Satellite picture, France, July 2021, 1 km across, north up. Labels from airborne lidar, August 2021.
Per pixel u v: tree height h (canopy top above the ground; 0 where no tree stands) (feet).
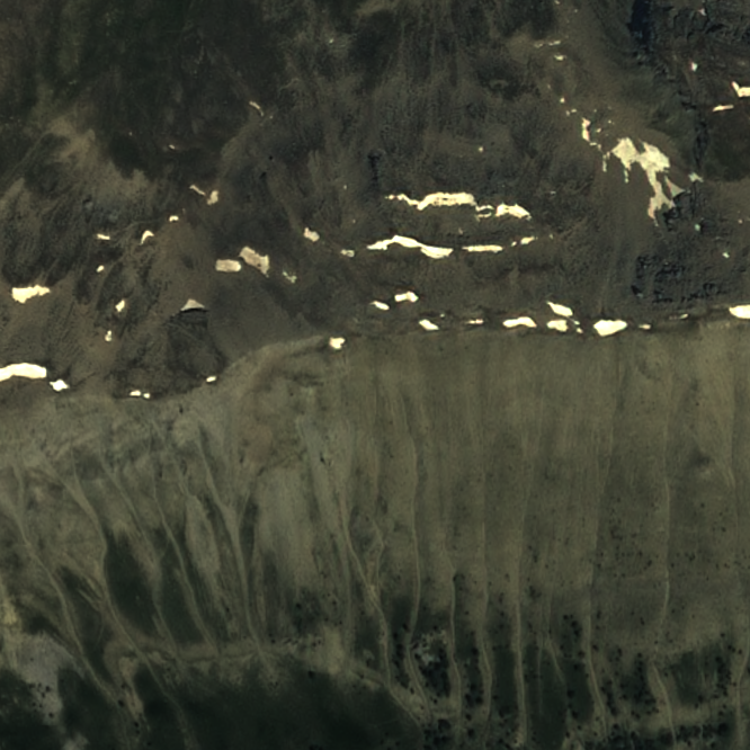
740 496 0
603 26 0
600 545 0
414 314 0
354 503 0
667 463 0
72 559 0
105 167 0
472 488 0
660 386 0
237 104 0
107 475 0
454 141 0
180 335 0
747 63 0
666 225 0
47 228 0
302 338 0
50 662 0
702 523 0
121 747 0
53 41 0
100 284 0
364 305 0
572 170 0
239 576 0
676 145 0
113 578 0
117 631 0
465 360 0
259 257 0
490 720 0
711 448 0
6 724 0
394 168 0
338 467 0
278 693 0
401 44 0
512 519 0
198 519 0
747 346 0
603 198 0
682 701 0
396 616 0
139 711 0
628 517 0
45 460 0
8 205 0
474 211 0
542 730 0
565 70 0
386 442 0
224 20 0
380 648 0
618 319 0
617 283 0
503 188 0
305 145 0
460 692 0
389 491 0
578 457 0
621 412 0
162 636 0
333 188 0
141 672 0
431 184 0
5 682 0
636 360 0
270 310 0
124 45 0
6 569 0
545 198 0
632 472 0
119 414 0
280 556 0
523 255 0
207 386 0
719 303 0
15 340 0
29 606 0
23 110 0
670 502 0
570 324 0
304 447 0
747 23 0
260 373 0
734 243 0
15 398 0
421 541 0
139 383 0
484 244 0
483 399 0
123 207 0
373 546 0
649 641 0
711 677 0
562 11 0
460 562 0
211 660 0
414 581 0
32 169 0
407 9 0
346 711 0
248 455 0
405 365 0
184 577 0
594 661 0
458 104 0
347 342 0
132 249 0
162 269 0
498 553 0
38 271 0
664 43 0
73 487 0
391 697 0
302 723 0
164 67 0
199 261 0
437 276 0
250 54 0
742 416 0
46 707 0
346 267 0
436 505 0
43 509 0
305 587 0
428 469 0
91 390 0
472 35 0
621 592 0
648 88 0
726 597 0
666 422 0
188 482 0
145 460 0
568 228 0
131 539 0
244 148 0
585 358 0
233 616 0
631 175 0
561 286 0
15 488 0
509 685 0
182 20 0
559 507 0
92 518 0
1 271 0
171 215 0
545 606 0
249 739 0
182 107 0
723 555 0
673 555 0
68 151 0
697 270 0
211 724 0
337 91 0
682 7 0
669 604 0
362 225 0
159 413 0
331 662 0
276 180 0
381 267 0
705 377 0
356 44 0
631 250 0
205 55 0
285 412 0
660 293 0
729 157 0
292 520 0
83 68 0
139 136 0
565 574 0
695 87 0
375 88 0
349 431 0
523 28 0
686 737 24
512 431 0
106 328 0
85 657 0
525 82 0
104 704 0
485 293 0
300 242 0
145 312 0
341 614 0
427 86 0
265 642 0
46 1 0
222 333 0
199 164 0
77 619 0
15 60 0
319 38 0
